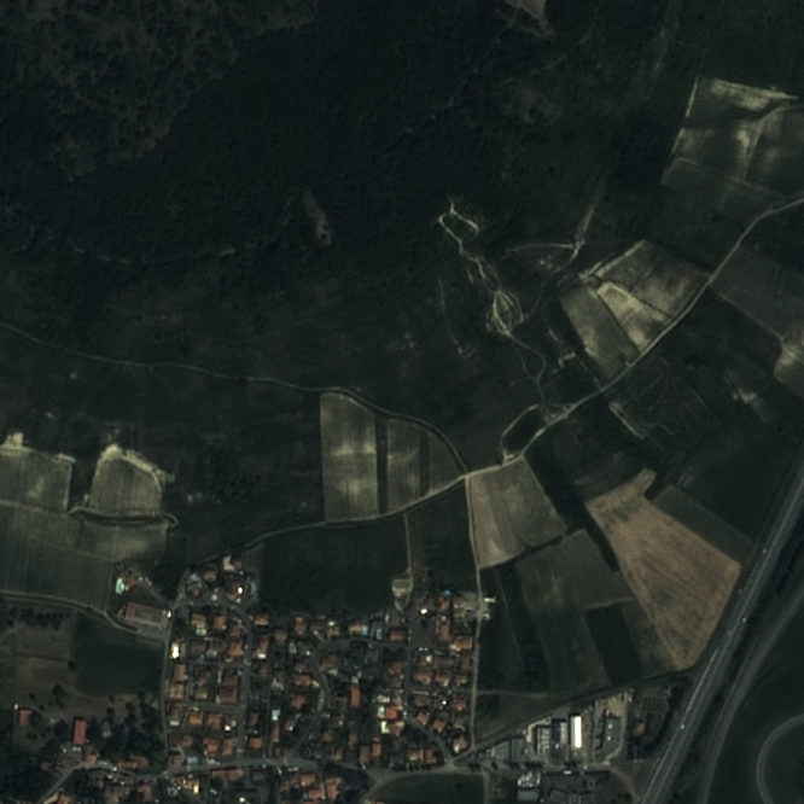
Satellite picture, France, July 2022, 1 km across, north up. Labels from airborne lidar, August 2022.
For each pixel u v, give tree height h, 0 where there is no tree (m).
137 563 0
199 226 6
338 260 10
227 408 0
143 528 0
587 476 0
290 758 0
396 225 8
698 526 0
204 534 0
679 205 0
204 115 11
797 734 0
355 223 12
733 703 0
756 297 0
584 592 0
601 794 0
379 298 7
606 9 10
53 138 10
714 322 0
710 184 0
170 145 9
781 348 0
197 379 0
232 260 11
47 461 0
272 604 7
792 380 0
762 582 0
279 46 10
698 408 0
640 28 10
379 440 0
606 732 0
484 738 0
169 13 7
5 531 0
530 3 0
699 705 0
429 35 10
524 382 0
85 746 0
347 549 0
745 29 0
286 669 7
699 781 0
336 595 0
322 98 15
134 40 5
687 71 9
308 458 0
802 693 0
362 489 0
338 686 8
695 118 0
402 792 0
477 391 0
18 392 0
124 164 8
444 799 0
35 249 11
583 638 0
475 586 0
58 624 10
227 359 0
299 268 7
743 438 0
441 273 0
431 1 13
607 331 0
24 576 0
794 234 6
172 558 0
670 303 0
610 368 0
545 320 0
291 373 0
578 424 0
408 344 0
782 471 0
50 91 8
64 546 0
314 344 0
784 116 0
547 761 0
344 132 14
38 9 0
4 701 0
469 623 9
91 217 9
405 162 14
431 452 0
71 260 13
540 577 0
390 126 10
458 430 0
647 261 0
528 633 7
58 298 6
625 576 0
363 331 0
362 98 9
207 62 6
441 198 9
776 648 0
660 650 0
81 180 8
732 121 0
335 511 0
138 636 0
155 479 0
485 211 5
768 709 0
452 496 0
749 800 0
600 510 0
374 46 13
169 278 9
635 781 0
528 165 7
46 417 0
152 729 15
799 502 0
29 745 0
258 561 0
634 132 10
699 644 0
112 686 0
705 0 8
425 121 6
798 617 0
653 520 0
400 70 9
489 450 0
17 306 0
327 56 10
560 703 0
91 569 0
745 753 0
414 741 7
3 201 8
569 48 7
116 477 0
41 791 16
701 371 0
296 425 0
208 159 9
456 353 0
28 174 10
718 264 0
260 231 9
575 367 0
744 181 0
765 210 0
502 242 7
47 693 0
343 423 0
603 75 10
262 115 14
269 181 11
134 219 9
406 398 0
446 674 0
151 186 9
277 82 12
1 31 9
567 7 10
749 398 0
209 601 0
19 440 0
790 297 0
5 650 0
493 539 0
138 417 0
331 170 15
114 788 0
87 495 0
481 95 7
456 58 14
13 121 12
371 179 12
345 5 12
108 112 7
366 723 6
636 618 0
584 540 0
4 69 8
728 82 0
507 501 0
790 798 0
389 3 12
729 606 0
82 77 7
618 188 6
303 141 10
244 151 11
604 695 0
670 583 0
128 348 0
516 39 15
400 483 0
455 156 9
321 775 13
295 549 0
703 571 0
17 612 7
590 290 0
